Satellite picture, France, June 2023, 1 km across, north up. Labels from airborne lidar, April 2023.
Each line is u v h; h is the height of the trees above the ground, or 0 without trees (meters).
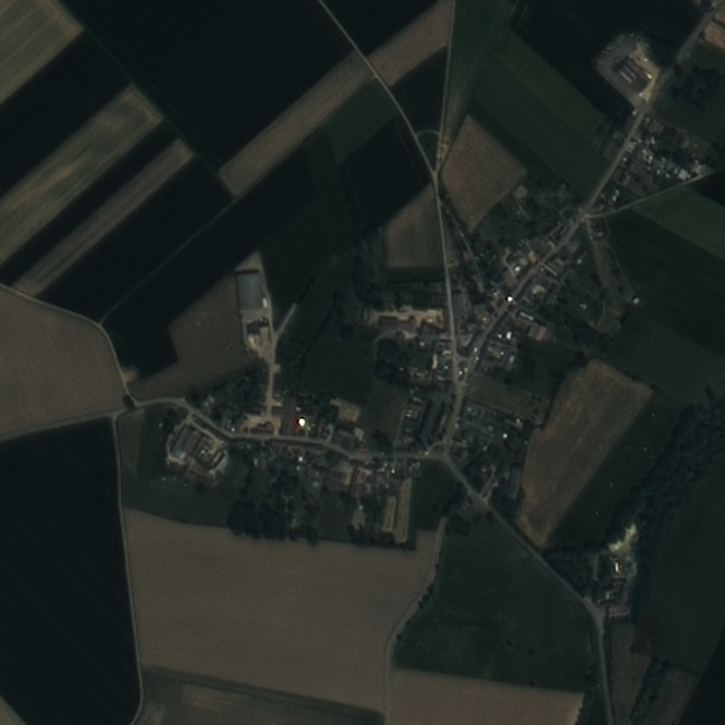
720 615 0
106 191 0
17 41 0
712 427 19
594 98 0
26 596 0
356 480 0
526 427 9
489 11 0
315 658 0
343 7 0
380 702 0
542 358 0
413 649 0
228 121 0
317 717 0
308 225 0
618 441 0
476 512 0
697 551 0
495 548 0
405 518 0
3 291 0
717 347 0
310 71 0
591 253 0
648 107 0
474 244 7
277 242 0
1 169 0
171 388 0
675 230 0
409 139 0
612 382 0
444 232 0
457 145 0
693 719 0
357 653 0
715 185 0
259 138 0
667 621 0
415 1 0
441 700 0
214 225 0
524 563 0
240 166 0
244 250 0
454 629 0
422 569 0
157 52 0
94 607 0
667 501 18
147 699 0
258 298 0
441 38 0
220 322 0
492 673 0
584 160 0
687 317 0
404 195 0
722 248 0
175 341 0
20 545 0
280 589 0
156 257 0
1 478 0
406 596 0
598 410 0
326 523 0
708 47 0
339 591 0
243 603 0
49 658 0
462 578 0
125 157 0
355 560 0
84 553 0
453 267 0
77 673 0
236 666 0
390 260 0
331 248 0
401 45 0
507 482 12
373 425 0
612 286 0
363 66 0
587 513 0
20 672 0
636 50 0
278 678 0
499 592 0
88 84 0
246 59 0
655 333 0
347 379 0
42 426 0
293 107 0
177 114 0
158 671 0
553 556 6
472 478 7
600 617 0
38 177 0
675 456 19
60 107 0
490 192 0
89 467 0
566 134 0
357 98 0
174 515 0
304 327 0
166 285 0
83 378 0
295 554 0
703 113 0
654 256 0
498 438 0
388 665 0
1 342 0
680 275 0
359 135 0
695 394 0
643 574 18
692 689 0
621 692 0
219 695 0
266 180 0
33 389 0
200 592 0
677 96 19
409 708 0
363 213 0
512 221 0
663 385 0
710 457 19
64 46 0
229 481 0
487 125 0
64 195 0
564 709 0
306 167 0
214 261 0
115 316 0
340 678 0
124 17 0
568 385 0
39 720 0
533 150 0
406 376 13
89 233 0
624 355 0
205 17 0
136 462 0
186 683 0
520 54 0
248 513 22
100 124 0
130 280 0
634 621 13
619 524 17
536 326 0
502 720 0
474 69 0
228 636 0
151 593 0
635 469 0
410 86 0
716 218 0
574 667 0
